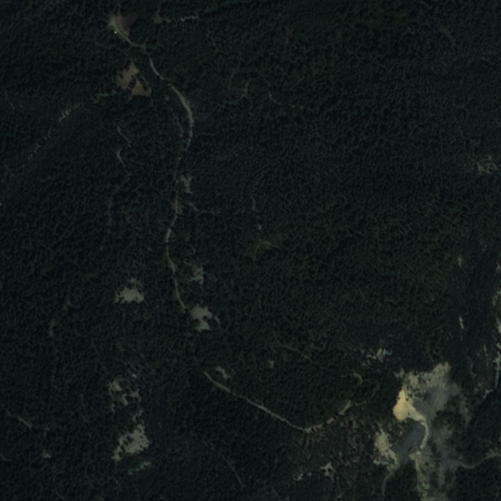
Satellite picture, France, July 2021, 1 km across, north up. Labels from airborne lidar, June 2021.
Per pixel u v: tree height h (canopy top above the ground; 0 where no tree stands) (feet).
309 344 68
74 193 58
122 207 70
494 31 61
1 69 52
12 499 83
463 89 45
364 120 107
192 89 60
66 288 71
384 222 82
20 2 43
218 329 54
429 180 64
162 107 44
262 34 23
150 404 56
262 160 86
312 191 73
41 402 28
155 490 43
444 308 66
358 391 34
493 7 64
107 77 44
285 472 38
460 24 49
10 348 72
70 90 45
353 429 45
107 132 58
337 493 52
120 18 0
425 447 0
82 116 45
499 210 73
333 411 0
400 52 71
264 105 41
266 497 36
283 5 51
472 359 48
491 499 54
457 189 62
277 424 47
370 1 45
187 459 34
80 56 34
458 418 43
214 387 65
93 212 24
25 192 52
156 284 51
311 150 67
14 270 75
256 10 52
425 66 44
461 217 24
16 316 84
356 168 99
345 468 53
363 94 91
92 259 30
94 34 89
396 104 88
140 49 44
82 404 87
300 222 78
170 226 38
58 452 55
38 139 44
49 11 21
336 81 26
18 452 76
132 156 58
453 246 67
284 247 21
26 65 47
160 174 97
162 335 49
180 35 31
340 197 61
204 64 20
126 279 48
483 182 43
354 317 60
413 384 0
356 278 91
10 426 68
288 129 95
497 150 52
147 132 34
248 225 60
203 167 76
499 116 57
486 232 41
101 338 54
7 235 63
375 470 29
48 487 78
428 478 0
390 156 87
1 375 81
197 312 0
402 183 83
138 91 0
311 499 27
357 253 82
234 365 30
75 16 52
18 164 24
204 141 66
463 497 22
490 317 51
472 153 57
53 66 43
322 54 97
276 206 69
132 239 90
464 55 44
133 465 28
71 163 33
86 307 70
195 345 23
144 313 72
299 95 34
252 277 27
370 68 103
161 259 39
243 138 70
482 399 43
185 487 59
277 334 19
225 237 45
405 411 0
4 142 30
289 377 35
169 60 31
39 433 113
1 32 30
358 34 54
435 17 65
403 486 33
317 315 70
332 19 46
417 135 31
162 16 41
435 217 67
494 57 21
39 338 74
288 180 66
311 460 37
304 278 38
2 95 45
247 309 43
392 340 30
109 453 49
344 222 36
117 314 38
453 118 78
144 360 56
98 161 35
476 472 31
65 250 30
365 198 78
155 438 42
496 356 35
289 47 84
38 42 36
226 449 41
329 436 52
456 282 36
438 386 0
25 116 57
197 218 49
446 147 73
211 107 49
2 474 53
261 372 53
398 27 23
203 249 62
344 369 46
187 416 58
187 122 24
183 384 48
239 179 57
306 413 28
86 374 61
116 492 34
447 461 0
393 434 23
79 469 84
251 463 64
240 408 53
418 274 62
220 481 51
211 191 27
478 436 36
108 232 64
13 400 65
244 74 39
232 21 33
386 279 74
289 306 76
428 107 72
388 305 79
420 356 48
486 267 40
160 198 22
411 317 64
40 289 59
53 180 25
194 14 27
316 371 37
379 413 30
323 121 104
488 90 59
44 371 64
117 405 50
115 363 24
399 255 81
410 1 27
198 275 0
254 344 56
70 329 55
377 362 34
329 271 93
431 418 0
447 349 60
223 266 69
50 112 39
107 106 25
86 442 76
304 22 29
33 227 105
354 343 39
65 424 91
